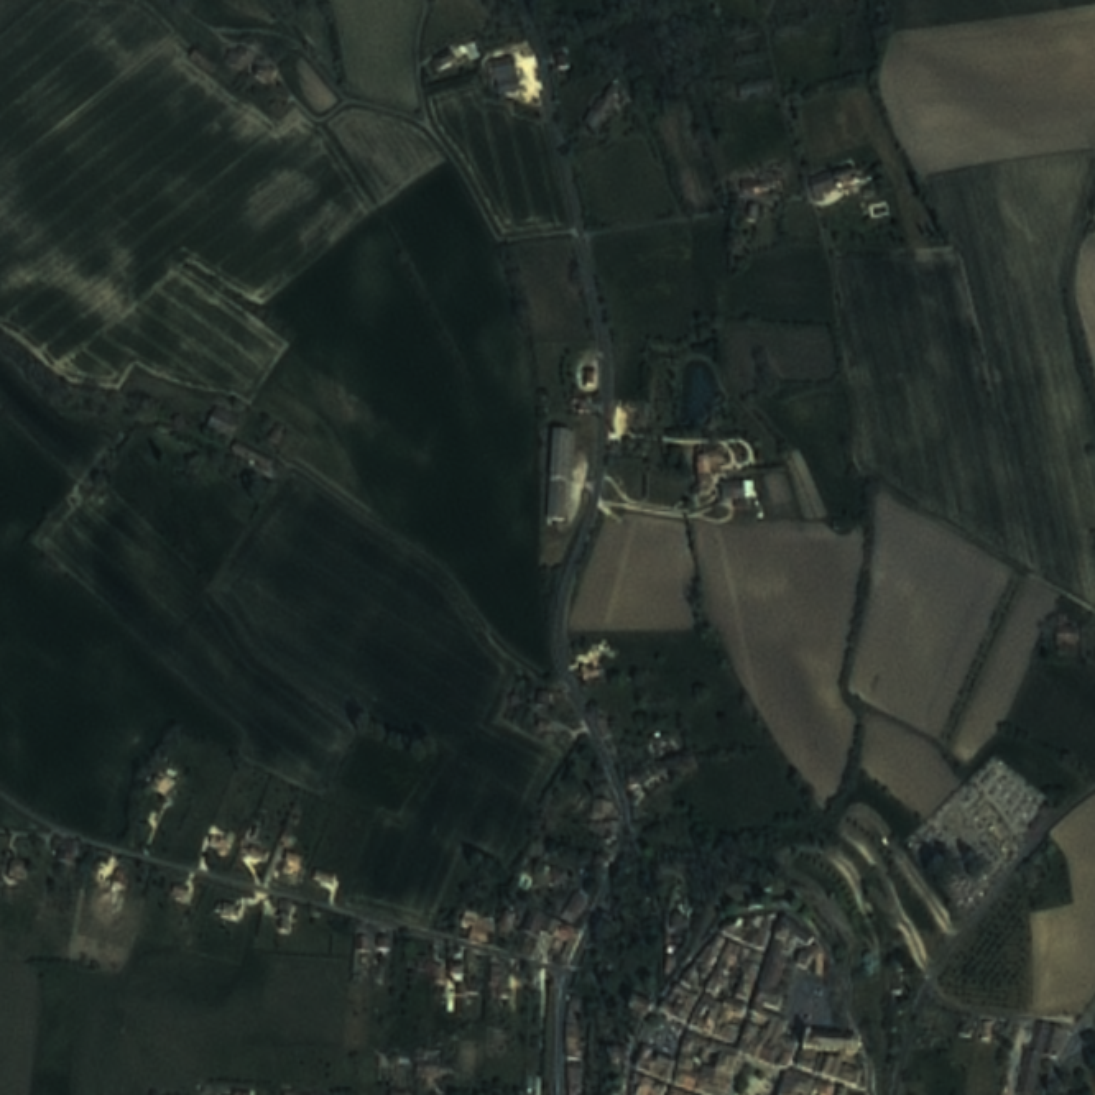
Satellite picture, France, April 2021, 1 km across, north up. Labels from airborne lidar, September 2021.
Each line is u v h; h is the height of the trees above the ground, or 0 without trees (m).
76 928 0
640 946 11
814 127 0
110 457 7
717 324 8
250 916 0
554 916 8
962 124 0
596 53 15
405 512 0
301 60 0
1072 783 0
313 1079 0
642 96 17
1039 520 0
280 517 0
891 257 0
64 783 0
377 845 0
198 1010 0
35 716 0
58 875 12
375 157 0
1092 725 0
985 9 0
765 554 0
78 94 0
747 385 0
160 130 0
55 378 10
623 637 0
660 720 10
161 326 0
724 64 0
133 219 0
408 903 0
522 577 0
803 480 0
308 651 0
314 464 0
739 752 8
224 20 0
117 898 0
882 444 0
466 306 0
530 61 0
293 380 0
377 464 0
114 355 0
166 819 0
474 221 0
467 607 0
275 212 0
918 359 0
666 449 6
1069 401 0
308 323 0
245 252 0
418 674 0
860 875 0
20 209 0
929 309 0
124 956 0
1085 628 10
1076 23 0
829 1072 0
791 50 0
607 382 0
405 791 0
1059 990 0
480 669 0
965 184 0
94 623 0
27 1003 0
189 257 0
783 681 0
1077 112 0
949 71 0
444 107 0
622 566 0
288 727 0
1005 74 0
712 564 0
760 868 12
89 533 0
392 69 0
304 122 0
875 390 0
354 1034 0
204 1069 0
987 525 0
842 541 0
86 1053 0
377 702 0
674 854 11
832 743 0
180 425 9
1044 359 0
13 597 0
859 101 0
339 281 0
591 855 10
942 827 0
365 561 0
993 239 0
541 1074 7
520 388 0
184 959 0
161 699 0
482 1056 0
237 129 0
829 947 9
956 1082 0
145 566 0
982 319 0
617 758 9
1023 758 0
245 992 0
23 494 0
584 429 0
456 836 0
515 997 0
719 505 7
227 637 0
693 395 0
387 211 0
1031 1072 0
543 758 0
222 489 0
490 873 15
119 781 0
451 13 0
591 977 9
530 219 0
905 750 0
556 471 0
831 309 0
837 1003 15
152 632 0
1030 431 0
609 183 0
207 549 0
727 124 0
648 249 0
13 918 0
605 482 0
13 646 0
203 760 0
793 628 0
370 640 0
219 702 0
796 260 0
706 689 10
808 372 0
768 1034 0
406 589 0
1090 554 0
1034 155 0
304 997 0
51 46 0
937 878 22
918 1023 9
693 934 9
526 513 0
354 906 0
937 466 0
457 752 0
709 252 0
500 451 0
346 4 0
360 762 0
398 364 0
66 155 0
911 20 0
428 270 0
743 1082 11
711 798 0
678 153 0
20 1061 0
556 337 0
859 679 0
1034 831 10
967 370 0
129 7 0
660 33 21
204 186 0
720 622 0
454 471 0
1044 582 0
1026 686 0
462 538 0
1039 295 0
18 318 0
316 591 0
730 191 6
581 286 16
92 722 0
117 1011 0
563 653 0
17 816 0
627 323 0
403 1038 0
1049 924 0
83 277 0
